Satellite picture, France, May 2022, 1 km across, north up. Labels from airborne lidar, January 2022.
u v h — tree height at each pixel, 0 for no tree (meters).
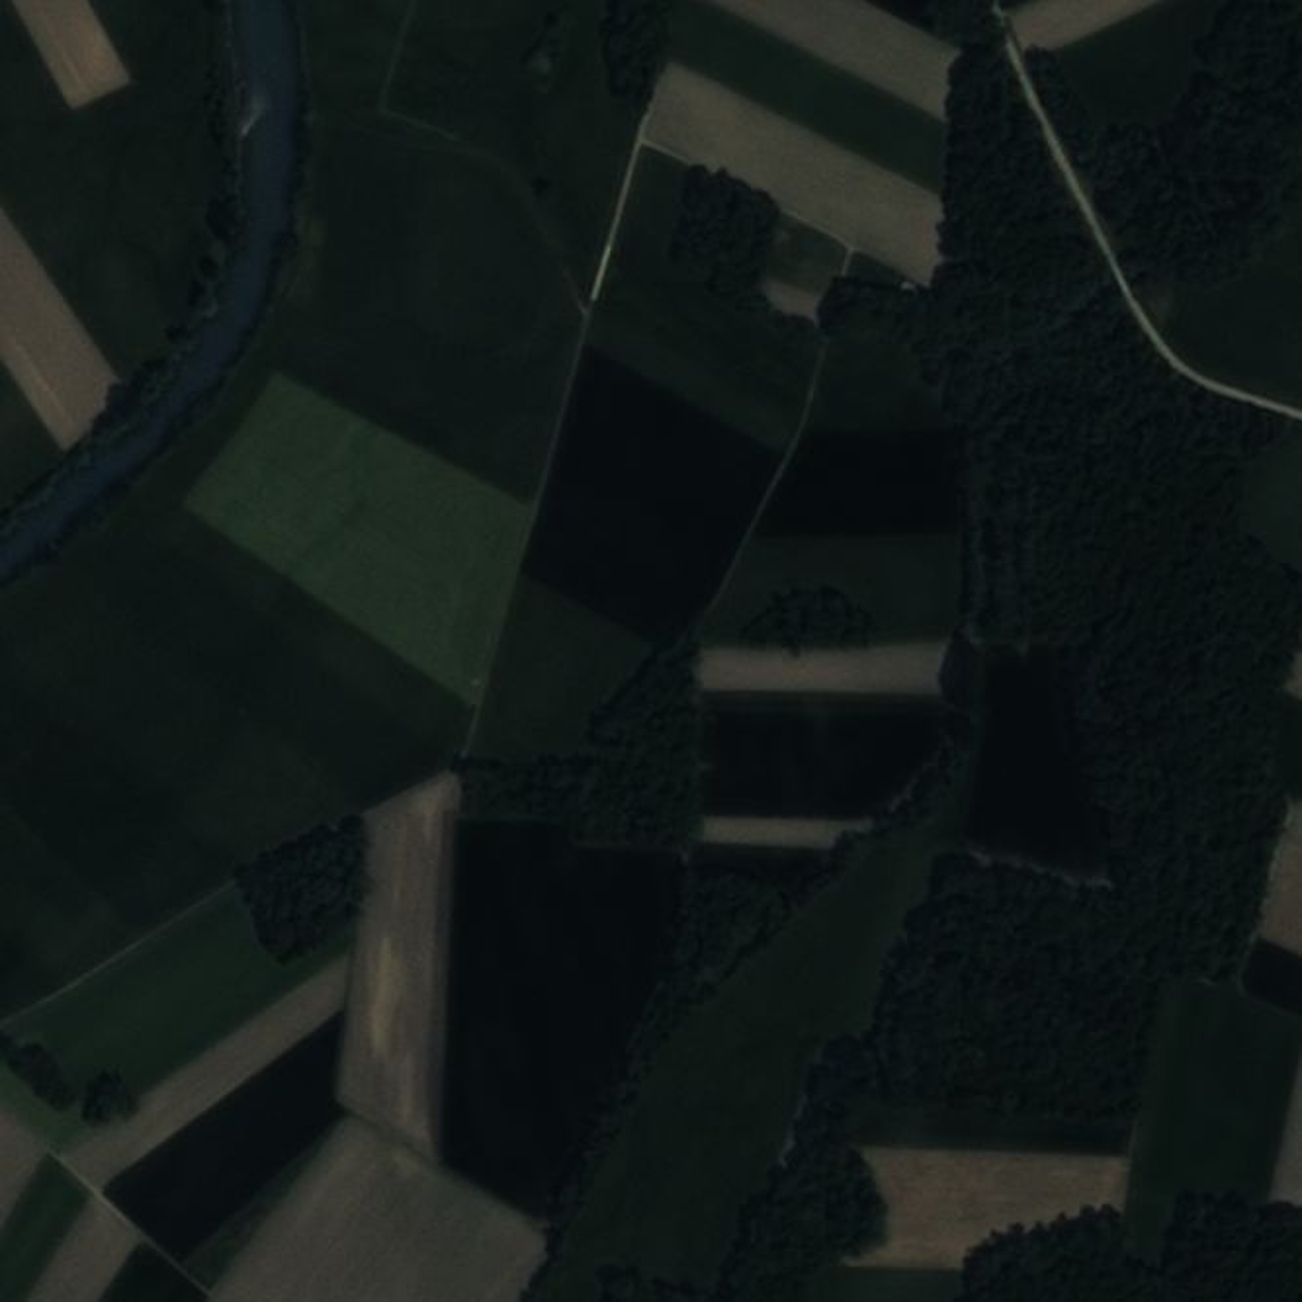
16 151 0
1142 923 21
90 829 0
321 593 0
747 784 0
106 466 0
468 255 0
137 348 0
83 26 0
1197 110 18
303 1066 0
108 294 0
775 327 14
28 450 0
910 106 0
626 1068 13
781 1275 24
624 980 0
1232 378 0
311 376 0
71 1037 0
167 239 0
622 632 0
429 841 0
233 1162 0
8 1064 13
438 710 0
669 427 0
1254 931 10
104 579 0
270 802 0
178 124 0
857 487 0
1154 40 0
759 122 0
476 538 0
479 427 0
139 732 0
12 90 0
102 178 0
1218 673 17
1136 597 14
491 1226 0
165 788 0
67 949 0
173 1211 0
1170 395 22
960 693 29
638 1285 19
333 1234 0
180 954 0
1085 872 0
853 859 15
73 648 0
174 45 0
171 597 0
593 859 0
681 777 13
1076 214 15
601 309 0
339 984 0
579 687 0
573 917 0
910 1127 0
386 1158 0
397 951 0
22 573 13
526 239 0
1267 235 15
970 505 12
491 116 0
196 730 0
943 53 0
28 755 0
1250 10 22
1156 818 25
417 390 0
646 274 0
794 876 0
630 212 0
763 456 0
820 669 0
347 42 0
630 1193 0
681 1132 0
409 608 0
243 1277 0
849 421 0
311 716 0
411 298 0
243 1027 0
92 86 0
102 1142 0
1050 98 19
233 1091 0
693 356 0
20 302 0
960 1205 0
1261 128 25
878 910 0
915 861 0
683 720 17
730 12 0
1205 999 0
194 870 0
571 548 0
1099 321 22
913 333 18
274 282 7
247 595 0
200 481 0
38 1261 0
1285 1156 0
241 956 0
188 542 0
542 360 0
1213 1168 0
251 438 0
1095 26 0
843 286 13
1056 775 0
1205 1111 0
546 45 7
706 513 0
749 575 0
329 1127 0
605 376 0
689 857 0
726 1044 0
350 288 0
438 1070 0
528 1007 0
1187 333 0
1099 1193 0
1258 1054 0
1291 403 0
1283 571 9
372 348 0
